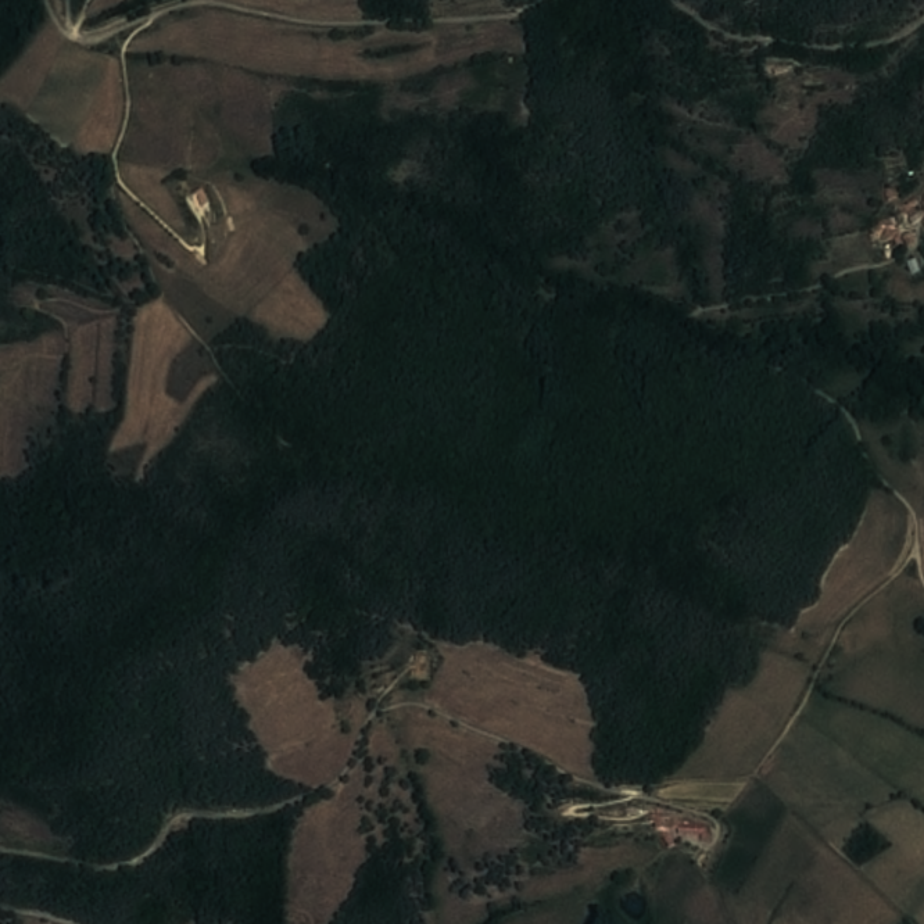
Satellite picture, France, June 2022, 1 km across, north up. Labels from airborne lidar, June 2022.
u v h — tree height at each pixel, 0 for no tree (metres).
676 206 18
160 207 0
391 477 11
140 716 14
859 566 0
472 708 0
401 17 13
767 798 0
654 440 12
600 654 14
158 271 0
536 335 15
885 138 13
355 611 8
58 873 6
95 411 7
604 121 15
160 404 0
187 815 0
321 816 0
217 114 0
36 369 0
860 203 0
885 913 0
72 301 0
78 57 0
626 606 12
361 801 9
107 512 9
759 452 12
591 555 9
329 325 6
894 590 0
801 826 0
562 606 12
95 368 0
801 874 0
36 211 13
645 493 8
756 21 7
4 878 13
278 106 7
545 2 10
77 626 6
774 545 14
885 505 0
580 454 14
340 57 0
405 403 15
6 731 6
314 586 13
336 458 7
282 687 0
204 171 0
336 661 9
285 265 0
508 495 15
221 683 14
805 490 12
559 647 7
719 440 14
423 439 13
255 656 13
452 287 18
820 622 0
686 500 13
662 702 14
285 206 0
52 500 10
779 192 7
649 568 12
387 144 13
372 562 14
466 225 10
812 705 0
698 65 8
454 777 0
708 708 13
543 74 12
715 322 11
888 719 8
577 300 19
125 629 6
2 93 0
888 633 0
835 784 0
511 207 10
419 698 0
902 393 18
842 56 12
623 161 17
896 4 7
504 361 15
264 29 0
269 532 16
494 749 0
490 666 0
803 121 0
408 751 0
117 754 15
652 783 15
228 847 15
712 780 0
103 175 19
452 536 17
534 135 10
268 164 19
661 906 0
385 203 16
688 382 17
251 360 8
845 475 16
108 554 5
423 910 12
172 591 7
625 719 12
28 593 19
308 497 17
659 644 12
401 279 12
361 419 16
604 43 17
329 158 15
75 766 10
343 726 7
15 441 0
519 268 10
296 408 9
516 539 12
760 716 0
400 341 20
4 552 10
